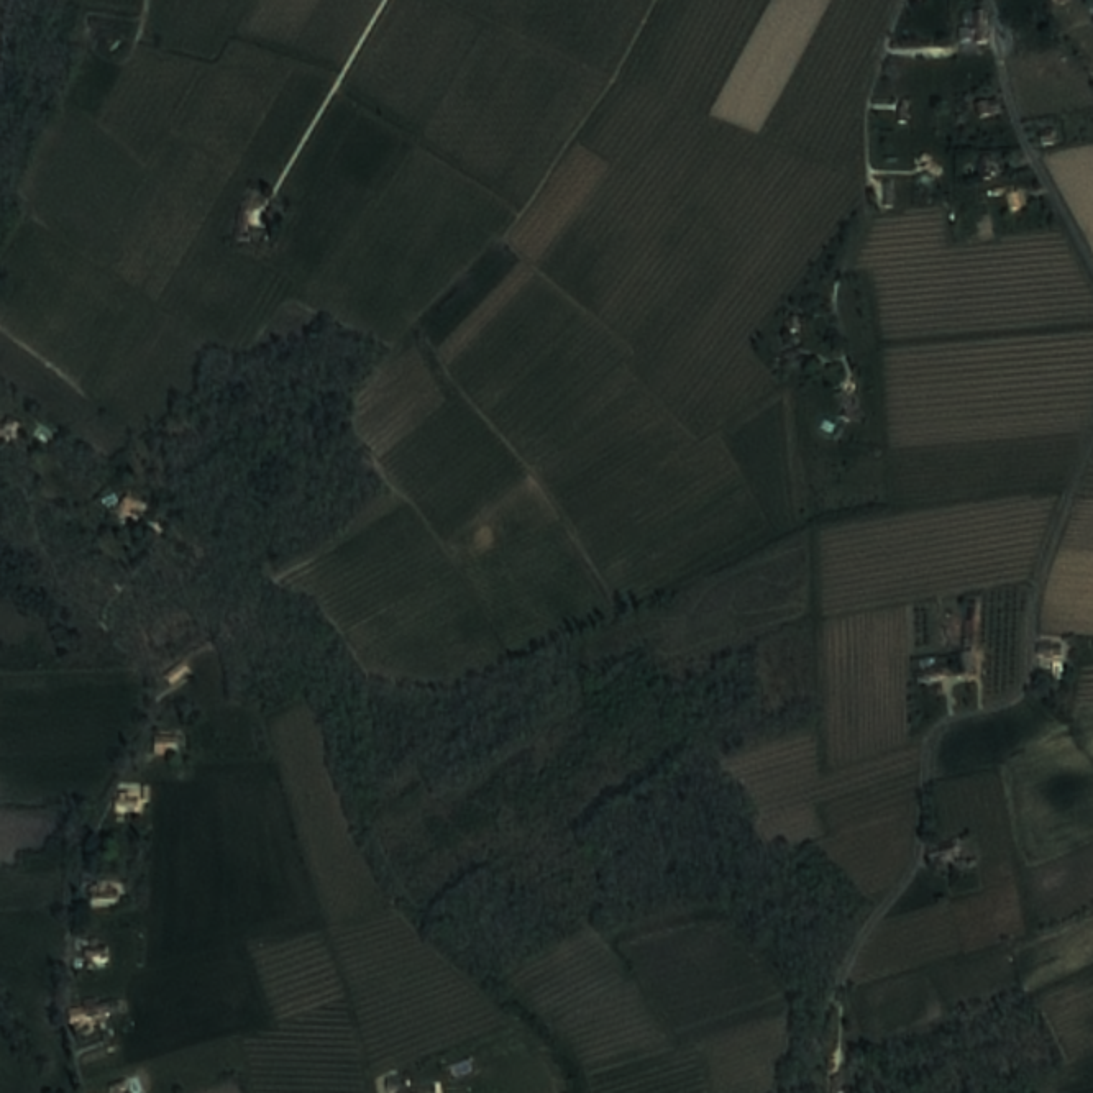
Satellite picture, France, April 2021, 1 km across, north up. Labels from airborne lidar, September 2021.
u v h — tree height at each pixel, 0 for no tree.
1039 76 0
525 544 0
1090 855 0
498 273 0
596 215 0
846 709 0
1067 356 0
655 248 0
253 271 0
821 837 0
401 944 0
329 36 0
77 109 0
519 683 14
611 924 17
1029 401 0
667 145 0
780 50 0
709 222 0
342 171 0
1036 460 0
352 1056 0
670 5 0
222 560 15
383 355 11
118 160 0
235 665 16
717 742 14
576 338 0
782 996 0
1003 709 0
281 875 0
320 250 0
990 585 0
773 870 17
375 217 0
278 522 20
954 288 0
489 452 0
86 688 0
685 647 0
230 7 0
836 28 0
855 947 16
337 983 0
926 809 14
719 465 0
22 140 20
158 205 0
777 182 0
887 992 0
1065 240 0
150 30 0
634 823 19
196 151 0
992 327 0
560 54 0
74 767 0
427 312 0
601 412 0
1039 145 8
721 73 0
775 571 0
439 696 16
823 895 20
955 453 0
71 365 0
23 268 0
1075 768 0
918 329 0
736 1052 0
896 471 0
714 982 0
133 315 0
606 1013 0
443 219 0
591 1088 0
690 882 20
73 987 17
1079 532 0
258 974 0
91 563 14
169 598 16
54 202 0
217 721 0
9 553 13
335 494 17
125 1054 0
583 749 7
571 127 0
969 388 0
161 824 0
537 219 0
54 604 16
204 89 0
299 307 0
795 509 0
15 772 0
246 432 21
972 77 0
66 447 17
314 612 17
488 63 0
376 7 0
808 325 11
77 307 0
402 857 6
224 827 0
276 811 0
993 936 0
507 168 0
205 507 20
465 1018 0
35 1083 0
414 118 0
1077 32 0
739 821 19
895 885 0
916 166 0
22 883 0
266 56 0
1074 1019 0
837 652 0
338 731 19
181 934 0
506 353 0
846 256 0
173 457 17
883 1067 17
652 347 0
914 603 0
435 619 0
